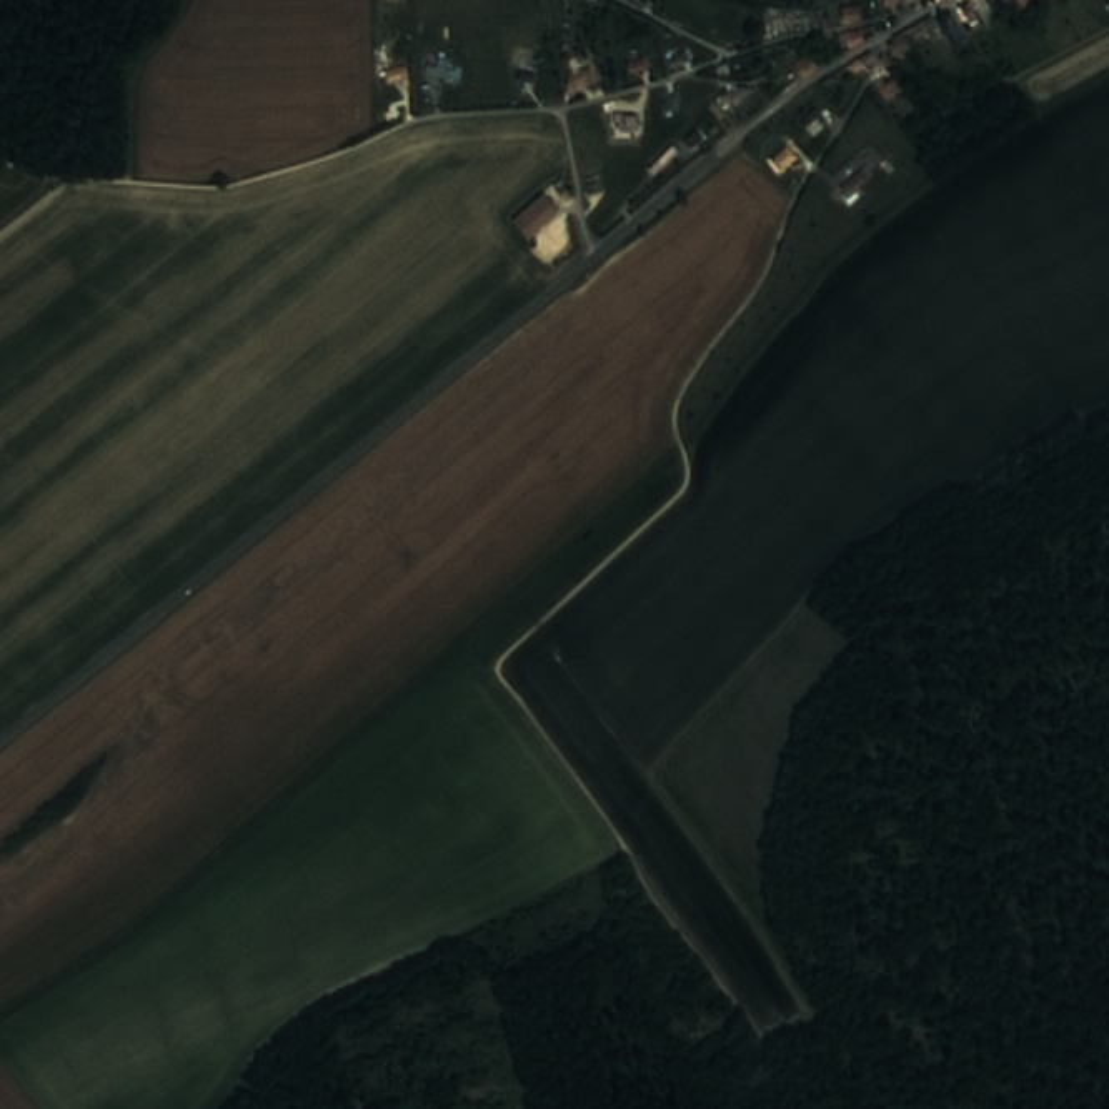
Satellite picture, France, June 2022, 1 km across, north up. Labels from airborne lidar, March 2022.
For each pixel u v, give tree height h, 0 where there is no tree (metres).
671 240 0
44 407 0
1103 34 0
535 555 0
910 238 0
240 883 0
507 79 0
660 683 0
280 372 0
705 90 0
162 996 0
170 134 0
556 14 0
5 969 0
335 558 0
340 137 0
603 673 0
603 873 7
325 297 0
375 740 0
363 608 0
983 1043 23
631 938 15
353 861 0
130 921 0
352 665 0
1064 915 21
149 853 0
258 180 0
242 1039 0
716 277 0
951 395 0
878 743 0
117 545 0
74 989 0
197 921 0
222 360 0
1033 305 0
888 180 0
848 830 19
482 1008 0
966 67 0
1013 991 19
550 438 0
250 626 0
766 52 0
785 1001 0
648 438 0
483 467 0
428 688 0
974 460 0
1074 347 0
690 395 0
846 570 17
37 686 0
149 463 0
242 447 0
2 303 0
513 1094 0
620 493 0
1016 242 0
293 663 0
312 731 0
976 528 17
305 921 0
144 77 0
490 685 0
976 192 0
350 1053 0
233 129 0
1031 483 15
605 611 0
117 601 0
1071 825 20
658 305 0
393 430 0
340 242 0
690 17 0
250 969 0
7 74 21
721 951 0
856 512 0
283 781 0
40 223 0
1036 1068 0
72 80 17
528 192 0
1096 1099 22
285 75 0
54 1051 0
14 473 0
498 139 0
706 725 0
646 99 0
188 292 0
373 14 0
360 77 0
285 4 0
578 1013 22
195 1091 0
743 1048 17
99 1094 0
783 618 0
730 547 0
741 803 0
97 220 0
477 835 0
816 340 0
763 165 0
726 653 0
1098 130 0
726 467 0
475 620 0
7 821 0
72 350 0
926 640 19
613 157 0
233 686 0
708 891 0
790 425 0
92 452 0
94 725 0
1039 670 21
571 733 0
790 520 0
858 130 0
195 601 0
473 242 0
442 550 0
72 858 0
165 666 0
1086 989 21
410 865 0
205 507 0
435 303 0
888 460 0
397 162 0
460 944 12
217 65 0
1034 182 0
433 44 0
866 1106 20
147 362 0
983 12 0
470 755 0
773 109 0
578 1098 22
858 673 16
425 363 0
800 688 0
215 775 0
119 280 0
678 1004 12
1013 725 20
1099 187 0
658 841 0
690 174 0
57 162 21
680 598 0
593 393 0
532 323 0
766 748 0
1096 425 19
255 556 0
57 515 0
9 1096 0
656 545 0
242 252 0
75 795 7
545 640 0
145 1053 0
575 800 0
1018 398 0
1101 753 20
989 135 28
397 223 0
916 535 18
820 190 0
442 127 0
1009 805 19
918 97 9
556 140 0
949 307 0
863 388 0
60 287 0
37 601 0
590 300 0
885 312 0
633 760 0
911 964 0
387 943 0
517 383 0
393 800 0
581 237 0
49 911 0
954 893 22
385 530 0
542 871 0
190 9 0
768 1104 15
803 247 0
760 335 0
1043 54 0
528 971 22
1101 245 0
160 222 0
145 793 0
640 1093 26
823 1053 22
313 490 0
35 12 20
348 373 0
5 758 0
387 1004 17
